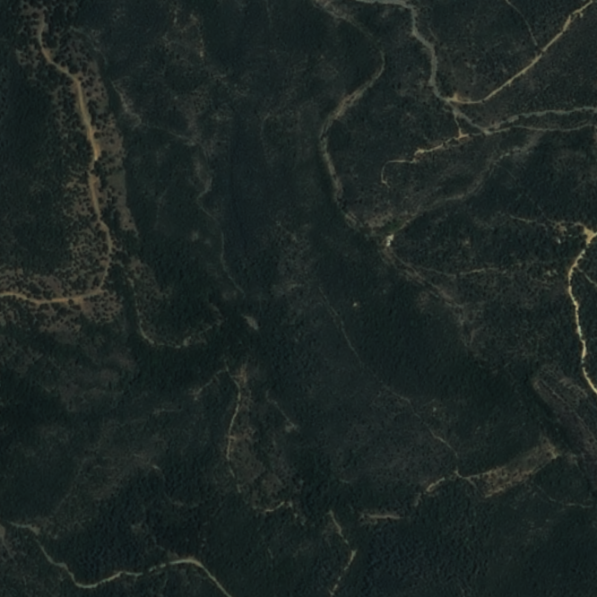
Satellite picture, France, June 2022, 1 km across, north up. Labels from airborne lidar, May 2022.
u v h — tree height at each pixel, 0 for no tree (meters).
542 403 6
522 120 10
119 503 9
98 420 7
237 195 6
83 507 8
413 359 7
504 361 7
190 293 16
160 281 9
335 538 8
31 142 7
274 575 12
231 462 6
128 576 10
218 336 10
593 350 9
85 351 7
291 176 6
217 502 10
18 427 10
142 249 11
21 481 8
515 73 6
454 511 11
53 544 8
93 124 9
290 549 10
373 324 6
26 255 9
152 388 7
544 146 8
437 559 16
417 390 5
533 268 9
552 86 9
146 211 7
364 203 10
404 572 15
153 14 6
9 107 16
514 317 6
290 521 7
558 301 7
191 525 11
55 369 8
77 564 12
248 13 8
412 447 6
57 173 8
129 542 9
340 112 0
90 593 8
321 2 0
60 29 8
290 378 6
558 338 7
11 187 10
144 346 11
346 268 8
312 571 13
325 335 0
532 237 7
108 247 8
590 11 7
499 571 6
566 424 6
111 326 8
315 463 11
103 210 6
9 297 8
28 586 8
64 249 6
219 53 7
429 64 7
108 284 8
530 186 7
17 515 7
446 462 7
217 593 6
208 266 0
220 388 7
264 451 9
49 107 10
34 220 6
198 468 9
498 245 7
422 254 6
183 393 8
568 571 9
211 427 8
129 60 6
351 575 13
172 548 11
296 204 6
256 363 6
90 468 8
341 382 0
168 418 7
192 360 9
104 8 7
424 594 6
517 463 6
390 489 9
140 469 6
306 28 10
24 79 10
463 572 14
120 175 0
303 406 8
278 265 10
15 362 8
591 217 10
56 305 11
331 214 6
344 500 10
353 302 7
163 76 8
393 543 17
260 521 11
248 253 8
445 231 8
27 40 11
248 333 10
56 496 6
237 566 10
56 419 7
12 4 8
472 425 7
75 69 9
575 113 7
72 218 7
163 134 6
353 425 9
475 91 0
